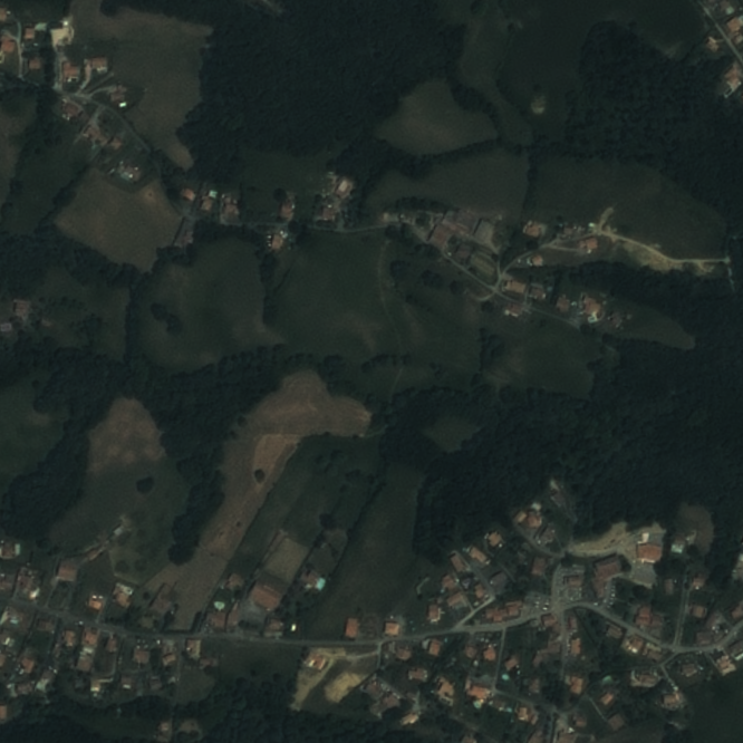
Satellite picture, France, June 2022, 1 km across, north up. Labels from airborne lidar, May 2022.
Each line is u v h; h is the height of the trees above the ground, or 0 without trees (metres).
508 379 0
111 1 15
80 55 0
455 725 15
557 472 19
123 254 0
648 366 21
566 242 0
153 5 19
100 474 0
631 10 0
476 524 7
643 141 27
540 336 0
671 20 0
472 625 6
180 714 9
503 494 23
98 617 0
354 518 0
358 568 0
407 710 14
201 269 0
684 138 19
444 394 18
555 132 0
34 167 0
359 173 22
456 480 25
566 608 0
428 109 0
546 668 9
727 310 16
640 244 0
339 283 0
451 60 20
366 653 0
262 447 0
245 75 21
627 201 0
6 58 0
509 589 11
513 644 0
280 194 14
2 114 0
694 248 0
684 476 24
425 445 21
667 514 19
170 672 12
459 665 6
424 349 0
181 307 0
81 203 0
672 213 0
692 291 23
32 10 0
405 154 10
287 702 16
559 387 0
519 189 0
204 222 13
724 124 20
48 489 21
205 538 0
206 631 0
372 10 23
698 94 23
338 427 0
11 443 0
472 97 23
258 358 15
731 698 0
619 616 0
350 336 0
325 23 21
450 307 0
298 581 6
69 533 0
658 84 23
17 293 19
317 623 0
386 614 0
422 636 0
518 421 22
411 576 0
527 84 0
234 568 0
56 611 0
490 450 25
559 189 0
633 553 0
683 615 0
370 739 11
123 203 0
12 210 17
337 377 17
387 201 0
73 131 0
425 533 26
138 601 0
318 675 0
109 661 0
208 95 21
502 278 0
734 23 0
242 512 0
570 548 0
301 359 16
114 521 0
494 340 15
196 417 19
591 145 24
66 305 11
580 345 0
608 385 21
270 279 16
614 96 29
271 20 26
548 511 6
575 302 0
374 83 15
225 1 21
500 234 0
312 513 0
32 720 26
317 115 28
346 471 0
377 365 16
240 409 10
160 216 0
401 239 13
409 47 27
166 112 0
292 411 0
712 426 23
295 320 0
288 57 19
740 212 20
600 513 20
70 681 9
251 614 0
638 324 0
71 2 6
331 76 23
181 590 0
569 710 0
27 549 0
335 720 12
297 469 0
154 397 22
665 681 9
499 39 0
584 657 0
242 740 13
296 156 13
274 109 28
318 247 0
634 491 21
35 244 28
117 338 0
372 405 18
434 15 21
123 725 0
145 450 0
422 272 0
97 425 7
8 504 6
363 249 0
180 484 0
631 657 0
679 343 0
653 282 9
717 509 21
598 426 25
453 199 0
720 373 21
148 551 0
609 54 23
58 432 0
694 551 14
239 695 16
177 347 0
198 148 19
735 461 14
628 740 0
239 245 0
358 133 22
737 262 21
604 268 25
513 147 7
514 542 8
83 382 21
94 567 0
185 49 0
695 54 6
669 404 21
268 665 0
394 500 0
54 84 6
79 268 19
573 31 0
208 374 23
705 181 24
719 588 6
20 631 0
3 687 15
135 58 0
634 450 22
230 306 0
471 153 12
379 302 0
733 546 14
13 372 9
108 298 0
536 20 0
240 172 19
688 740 22
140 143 0
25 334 13
